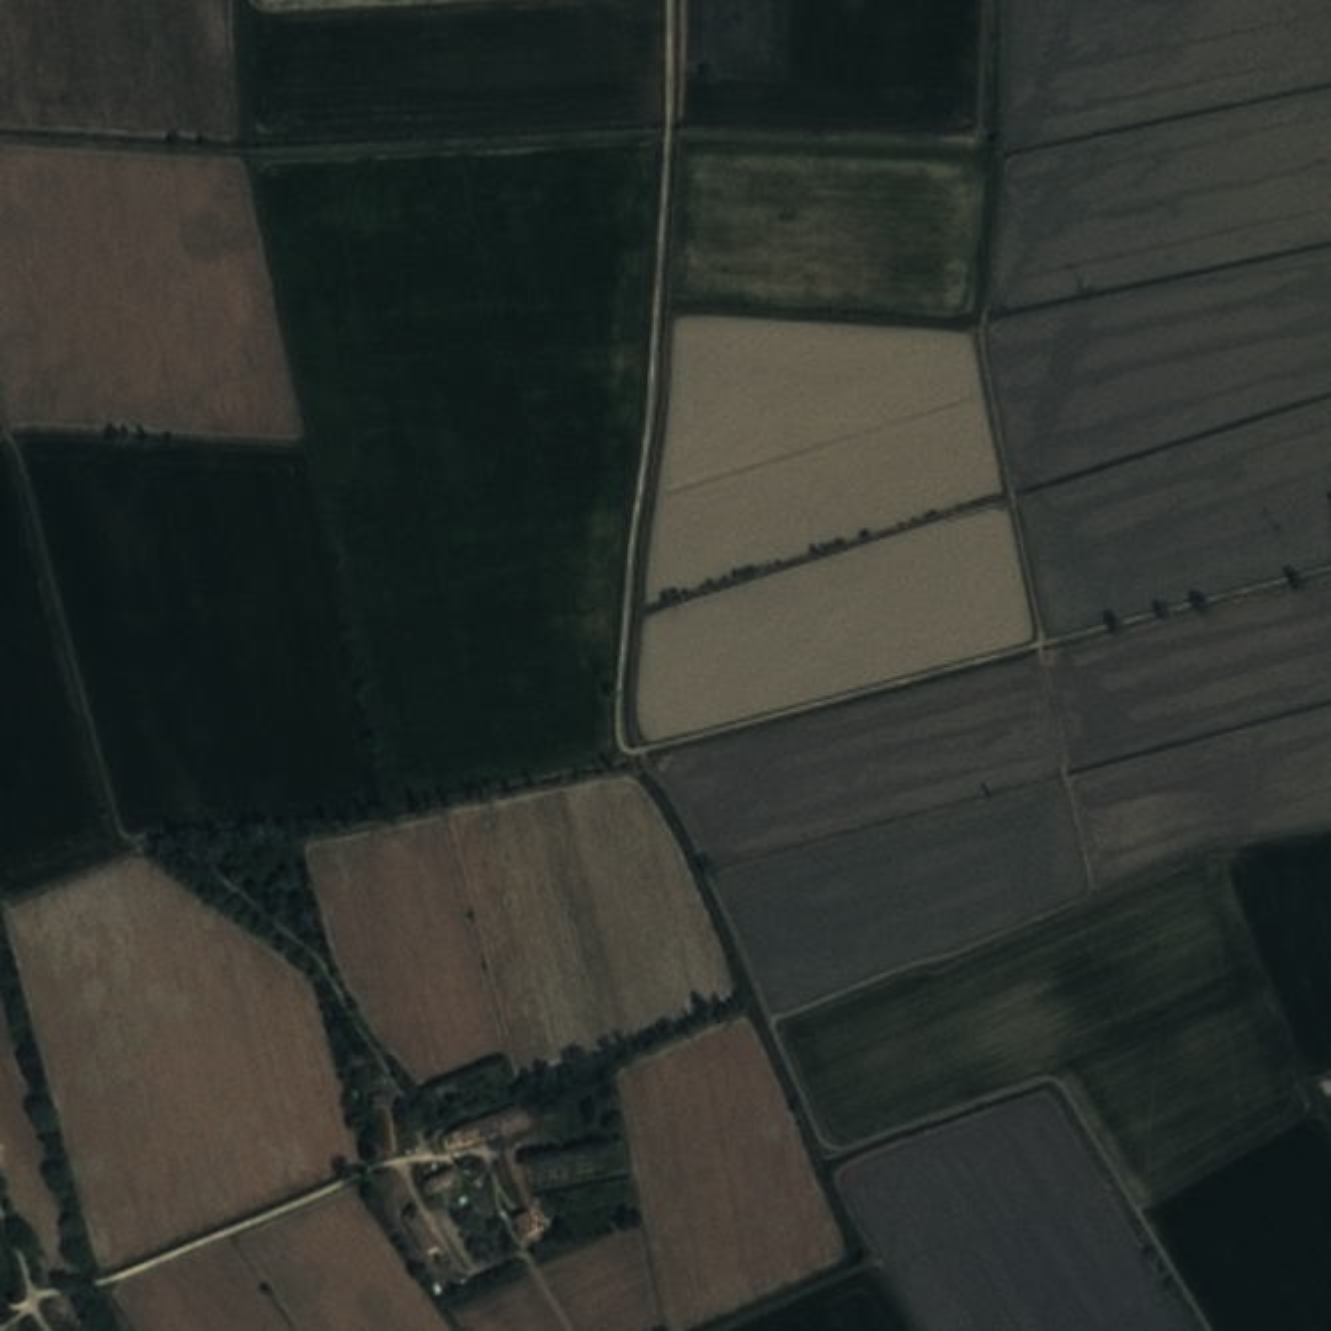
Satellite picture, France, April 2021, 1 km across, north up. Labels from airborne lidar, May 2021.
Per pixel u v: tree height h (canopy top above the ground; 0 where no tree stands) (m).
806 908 0
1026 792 0
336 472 0
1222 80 0
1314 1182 0
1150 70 0
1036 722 0
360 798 0
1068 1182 0
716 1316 0
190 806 0
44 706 0
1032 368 0
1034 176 0
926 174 0
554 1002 0
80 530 0
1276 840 0
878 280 0
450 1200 0
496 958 0
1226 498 0
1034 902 0
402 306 0
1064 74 0
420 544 0
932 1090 0
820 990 0
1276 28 0
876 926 0
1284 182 0
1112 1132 0
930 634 0
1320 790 0
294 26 0
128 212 0
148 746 0
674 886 0
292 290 0
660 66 0
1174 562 0
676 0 0
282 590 0
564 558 0
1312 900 0
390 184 0
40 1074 8
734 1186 0
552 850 0
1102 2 0
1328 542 0
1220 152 0
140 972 0
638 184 0
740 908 0
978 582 0
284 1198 0
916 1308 0
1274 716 0
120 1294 0
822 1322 0
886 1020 0
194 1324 0
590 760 0
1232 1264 0
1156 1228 0
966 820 0
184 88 0
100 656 0
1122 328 0
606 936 0
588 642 0
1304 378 0
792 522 0
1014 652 0
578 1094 13
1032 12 0
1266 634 0
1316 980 0
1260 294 0
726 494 0
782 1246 0
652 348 0
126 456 0
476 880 0
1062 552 0
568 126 0
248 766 0
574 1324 0
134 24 0
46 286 0
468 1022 0
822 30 0
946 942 0
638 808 0
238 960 0
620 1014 0
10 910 0
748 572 8
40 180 0
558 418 0
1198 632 0
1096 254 0
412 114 0
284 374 0
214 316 0
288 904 6
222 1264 0
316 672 0
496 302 0
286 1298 0
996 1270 0
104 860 0
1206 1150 0
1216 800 0
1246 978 0
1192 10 0
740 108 0
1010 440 0
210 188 0
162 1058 0
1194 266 0
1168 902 0
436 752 0
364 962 0
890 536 0
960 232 0
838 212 0
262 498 0
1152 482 0
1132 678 0
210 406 0
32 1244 15
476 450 0
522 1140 0
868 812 0
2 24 0
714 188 0
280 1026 0
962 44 0
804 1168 0
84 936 0
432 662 0
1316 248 0
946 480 0
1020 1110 0
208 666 0
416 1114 22
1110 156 0
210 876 15
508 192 0
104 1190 0
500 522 0
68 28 0
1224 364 0
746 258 0
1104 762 0
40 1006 0
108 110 0
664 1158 0
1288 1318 0
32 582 0
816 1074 0
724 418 0
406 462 0
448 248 0
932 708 0
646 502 0
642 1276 0
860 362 0
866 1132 0
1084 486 0
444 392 0
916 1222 0
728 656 0
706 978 0
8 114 0
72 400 0
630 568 0
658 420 0
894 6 0
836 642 0
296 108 0
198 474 0
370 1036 7
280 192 0
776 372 0
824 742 0
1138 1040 0
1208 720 0
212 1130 0
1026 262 0
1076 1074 0
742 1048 0
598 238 0
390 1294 0
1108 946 0
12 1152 0
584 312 0
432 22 0
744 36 0
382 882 0
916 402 0
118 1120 0
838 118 0
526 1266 0
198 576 0
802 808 0
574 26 0
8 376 0
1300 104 0
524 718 0
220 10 0
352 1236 0
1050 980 0
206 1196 0
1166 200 0
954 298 0
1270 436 0
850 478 0
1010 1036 0
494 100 0
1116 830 0
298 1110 0
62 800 0
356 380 0
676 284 0
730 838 0
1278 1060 0
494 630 0
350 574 0
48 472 0
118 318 0
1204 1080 0
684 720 0
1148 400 0
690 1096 0
